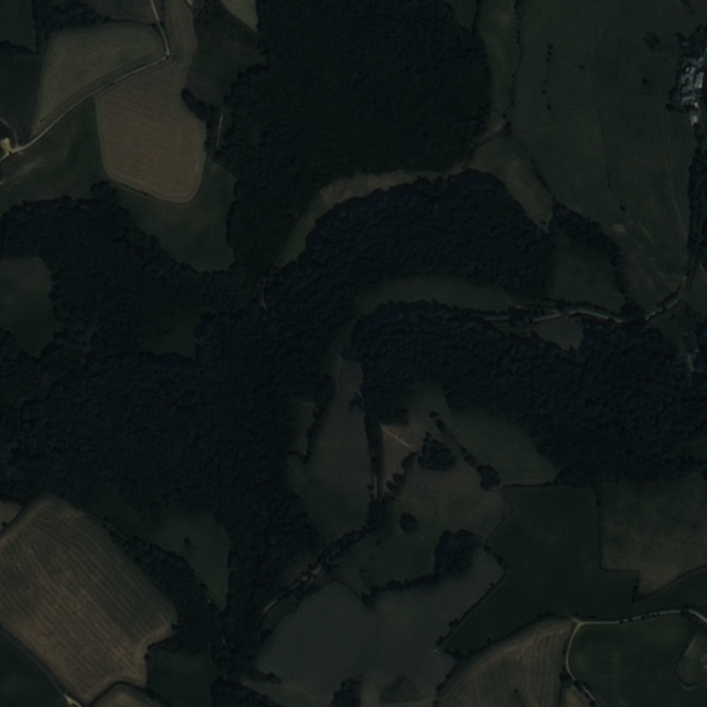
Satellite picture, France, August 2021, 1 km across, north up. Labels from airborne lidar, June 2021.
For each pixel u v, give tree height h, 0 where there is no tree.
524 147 0
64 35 0
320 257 28
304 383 24
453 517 0
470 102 22
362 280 22
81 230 27
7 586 0
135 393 26
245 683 0
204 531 0
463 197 25
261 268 10
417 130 18
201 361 14
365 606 10
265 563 23
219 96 0
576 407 28
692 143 0
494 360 28
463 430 0
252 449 33
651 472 24
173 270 23
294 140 23
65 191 0
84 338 26
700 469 13
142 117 0
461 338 27
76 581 0
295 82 26
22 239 18
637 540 0
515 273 21
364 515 0
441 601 0
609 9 0
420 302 0
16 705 0
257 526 23
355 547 8
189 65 0
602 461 20
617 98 0
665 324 0
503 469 0
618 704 0
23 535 0
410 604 0
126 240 13
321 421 16
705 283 0
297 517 18
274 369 27
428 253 20
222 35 0
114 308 29
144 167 0
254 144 6
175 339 0
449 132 26
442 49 34
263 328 21
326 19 20
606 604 0
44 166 0
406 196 28
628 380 28
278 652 0
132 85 0
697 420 28
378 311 0
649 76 0
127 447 22
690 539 0
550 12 0
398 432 0
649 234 0
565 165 0
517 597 0
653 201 0
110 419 22
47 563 0
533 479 0
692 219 9
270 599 10
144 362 25
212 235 0
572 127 0
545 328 0
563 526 0
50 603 0
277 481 22
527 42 0
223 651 18
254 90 21
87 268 25
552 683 0
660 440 24
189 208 0
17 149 0
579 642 0
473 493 0
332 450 0
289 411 14
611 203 0
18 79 0
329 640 0
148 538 0
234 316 8
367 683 0
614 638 0
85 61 0
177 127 0
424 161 23
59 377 25
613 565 0
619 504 0
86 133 0
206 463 27
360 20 27
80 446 21
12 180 0
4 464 20
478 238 22
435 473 0
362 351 11
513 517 0
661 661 0
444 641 7
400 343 23
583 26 0
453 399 17
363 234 22
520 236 23
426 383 14
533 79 0
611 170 0
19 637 0
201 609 15
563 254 0
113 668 0
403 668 0
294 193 23
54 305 20
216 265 0
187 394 17
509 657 0
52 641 0
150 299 25
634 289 0
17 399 19
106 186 15
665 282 0
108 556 0
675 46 0
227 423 28
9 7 0
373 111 26
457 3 0
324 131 28
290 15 21
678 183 0
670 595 0
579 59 0
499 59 0
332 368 0
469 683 0
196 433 14
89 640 0
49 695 0
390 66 28
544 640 0
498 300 0
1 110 0
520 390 28
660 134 0
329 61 18
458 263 17
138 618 0
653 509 0
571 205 0
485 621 0
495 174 0
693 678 0
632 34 0
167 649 8
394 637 0
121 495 15
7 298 0
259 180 23
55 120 0
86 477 22
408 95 24
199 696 0
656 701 0
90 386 28
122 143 0
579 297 0
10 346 17
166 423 25
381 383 16
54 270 17
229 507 23
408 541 0
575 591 0
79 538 0
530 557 0
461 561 9
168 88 0
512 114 0
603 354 24
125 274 25
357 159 18
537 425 19
